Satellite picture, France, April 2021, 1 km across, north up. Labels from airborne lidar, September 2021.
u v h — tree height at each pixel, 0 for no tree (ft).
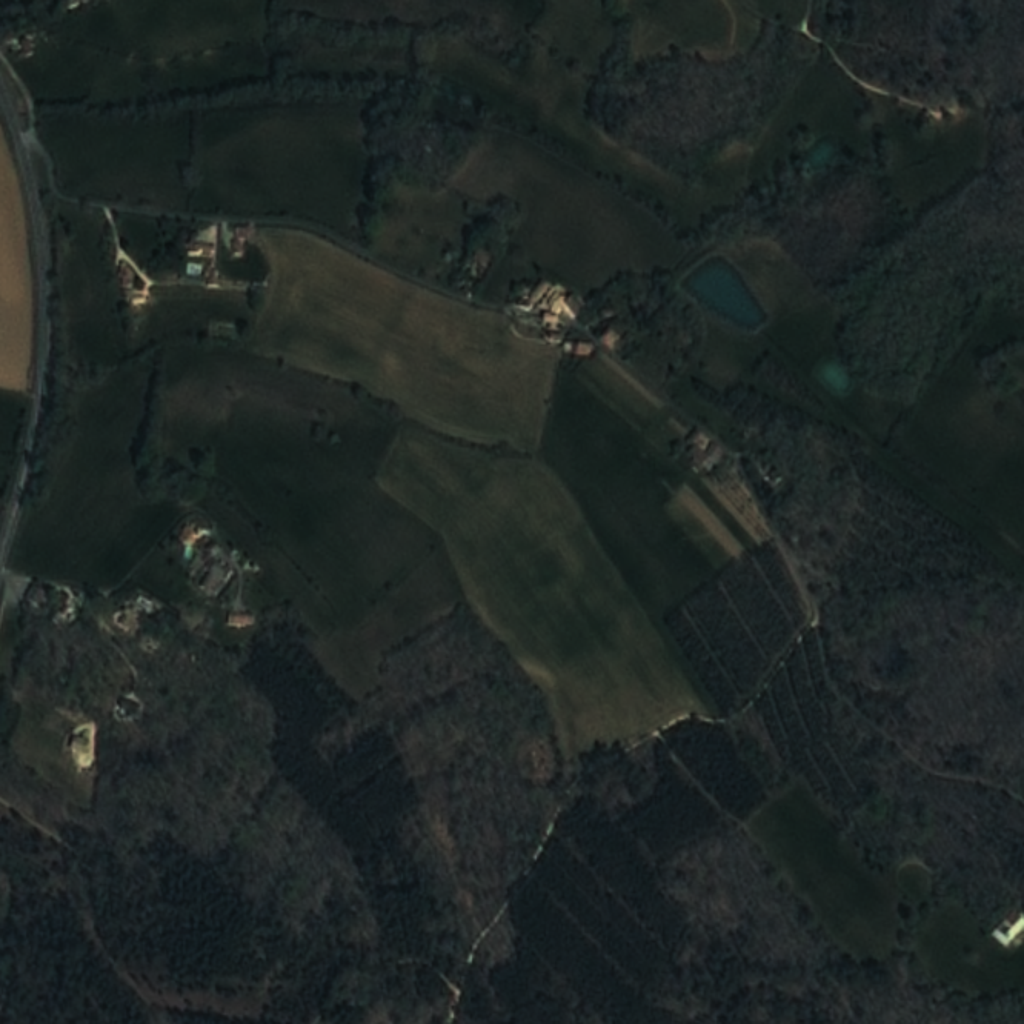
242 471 0
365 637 0
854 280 63
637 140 41
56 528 0
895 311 75
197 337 31
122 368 23
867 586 34
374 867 45
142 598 0
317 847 51
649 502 0
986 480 0
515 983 44
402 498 0
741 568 44
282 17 37
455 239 0
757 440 31
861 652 46
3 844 45
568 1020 53
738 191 0
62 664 61
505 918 40
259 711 50
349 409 0
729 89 47
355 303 0
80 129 0
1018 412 0
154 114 48
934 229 61
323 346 0
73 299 0
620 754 30
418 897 58
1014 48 46
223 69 0
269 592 0
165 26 0
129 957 72
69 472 0
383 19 0
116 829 47
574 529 0
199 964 33
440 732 68
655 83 56
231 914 62
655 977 35
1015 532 0
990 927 30
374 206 60
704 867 36
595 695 0
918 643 69
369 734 25
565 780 57
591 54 0
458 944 50
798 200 70
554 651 0
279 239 0
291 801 38
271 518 0
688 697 0
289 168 0
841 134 0
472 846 41
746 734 38
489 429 0
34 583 20
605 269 0
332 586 0
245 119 0
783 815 0
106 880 45
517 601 0
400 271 0
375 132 80
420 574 0
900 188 0
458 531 0
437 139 70
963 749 23
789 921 47
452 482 0
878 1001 49
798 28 0
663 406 0
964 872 59
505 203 43
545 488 0
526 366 0
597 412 0
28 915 67
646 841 48
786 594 45
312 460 0
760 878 54
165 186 0
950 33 52
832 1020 38
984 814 51
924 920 35
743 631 30
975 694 46
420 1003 32
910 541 42
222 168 0
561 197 0
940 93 49
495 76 0
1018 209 66
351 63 0
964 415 0
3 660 0
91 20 0
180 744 27
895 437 24
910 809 58
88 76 0
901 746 22
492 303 0
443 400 0
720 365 0
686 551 0
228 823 64
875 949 0
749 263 0
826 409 37
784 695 44
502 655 43
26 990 80
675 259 0
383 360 0
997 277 75
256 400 0
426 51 89
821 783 37
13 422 0
